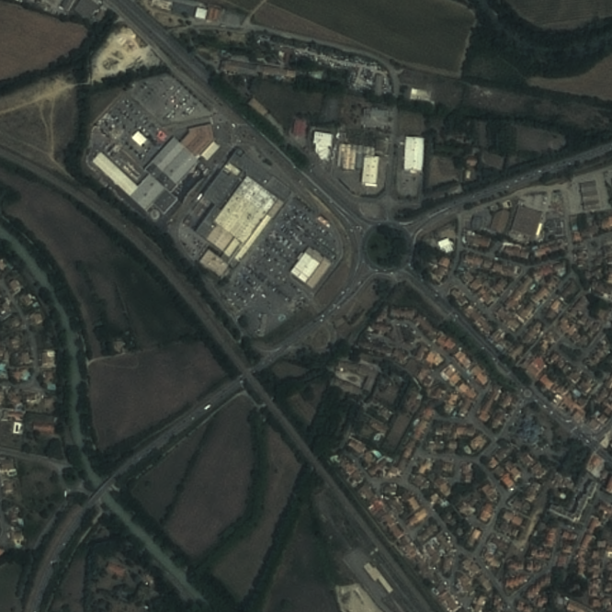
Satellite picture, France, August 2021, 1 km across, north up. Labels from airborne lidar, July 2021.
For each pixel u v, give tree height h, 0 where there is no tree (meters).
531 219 0
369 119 0
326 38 0
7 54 0
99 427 0
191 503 0
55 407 9
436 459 0
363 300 0
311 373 11
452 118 13
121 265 0
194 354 0
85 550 9
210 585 13
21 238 11
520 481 6
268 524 0
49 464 0
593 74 0
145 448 0
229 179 0
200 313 0
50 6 0
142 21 0
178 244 0
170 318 0
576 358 7
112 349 11
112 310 0
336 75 10
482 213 0
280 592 0
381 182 0
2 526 0
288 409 9
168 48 0
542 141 0
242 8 0
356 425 8
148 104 0
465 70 11
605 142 13
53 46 0
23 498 0
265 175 0
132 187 0
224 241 0
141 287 0
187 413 0
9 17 0
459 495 10
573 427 0
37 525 0
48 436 0
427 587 11
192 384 0
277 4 0
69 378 13
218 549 8
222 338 0
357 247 0
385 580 0
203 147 0
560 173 7
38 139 0
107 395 0
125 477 8
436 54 0
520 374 18
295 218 0
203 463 0
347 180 0
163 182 0
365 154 0
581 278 7
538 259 9
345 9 0
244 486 0
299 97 0
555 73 12
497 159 0
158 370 0
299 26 0
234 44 13
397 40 0
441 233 0
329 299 0
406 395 9
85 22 7
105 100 0
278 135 15
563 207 0
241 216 0
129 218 20
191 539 0
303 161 17
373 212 0
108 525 16
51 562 0
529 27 12
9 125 0
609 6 0
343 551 0
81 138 11
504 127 8
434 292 0
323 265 0
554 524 15
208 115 0
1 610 0
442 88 0
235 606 12
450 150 11
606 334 9
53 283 13
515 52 16
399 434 0
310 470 18
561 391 0
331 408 12
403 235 11
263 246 0
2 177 0
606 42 15
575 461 6
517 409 0
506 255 9
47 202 0
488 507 0
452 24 0
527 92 13
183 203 0
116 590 10
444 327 9
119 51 0
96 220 13
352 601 0
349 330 0
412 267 0
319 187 0
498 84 10
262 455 8
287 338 0
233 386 0
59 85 0
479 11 16
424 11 0
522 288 0
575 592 6
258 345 0
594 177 0
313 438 12
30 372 6
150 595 0
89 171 0
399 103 12
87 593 13
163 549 13
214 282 0
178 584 0
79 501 8
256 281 0
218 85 18
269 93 0
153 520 15
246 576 0
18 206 0
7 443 0
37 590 0
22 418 7
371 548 0
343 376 0
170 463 0
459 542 9
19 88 9
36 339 0
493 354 0
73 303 13
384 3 0
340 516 0
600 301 18
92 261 0
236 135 0
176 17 0
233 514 0
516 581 0
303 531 0
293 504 18
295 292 0
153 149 0
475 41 10
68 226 0
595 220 6
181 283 0
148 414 0
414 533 0
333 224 0
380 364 7
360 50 0
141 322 0
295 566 0
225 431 0
